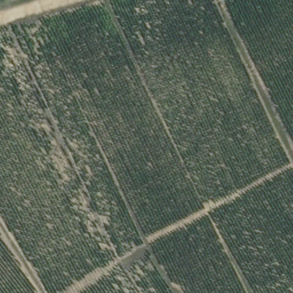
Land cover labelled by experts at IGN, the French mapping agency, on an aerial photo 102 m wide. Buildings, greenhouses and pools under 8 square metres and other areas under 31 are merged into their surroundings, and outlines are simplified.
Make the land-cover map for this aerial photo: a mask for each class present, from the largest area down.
<instances>
[{"label":"vineyard","instance_id":"1","mask_svg":"<svg viewBox=\"0 0 293 293\"><path fill-rule=\"evenodd\" d=\"M0 293H293V0H84L0 25Z\"/></svg>","mask_w":293,"mask_h":293},{"label":"pervious surface","instance_id":"2","mask_svg":"<svg viewBox=\"0 0 293 293\"><path fill-rule=\"evenodd\" d=\"M84 0H0V25Z\"/></svg>","mask_w":293,"mask_h":293}]
</instances>
